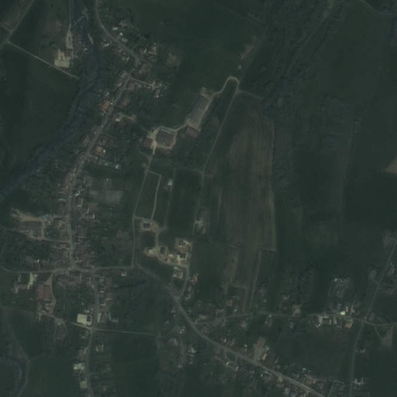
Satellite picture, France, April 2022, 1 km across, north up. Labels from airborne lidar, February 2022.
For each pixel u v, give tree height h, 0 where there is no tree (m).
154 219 0
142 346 0
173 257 0
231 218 0
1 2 0
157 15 0
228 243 0
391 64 0
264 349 0
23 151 0
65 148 7
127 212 0
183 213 0
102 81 19
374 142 0
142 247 0
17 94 0
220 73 0
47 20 0
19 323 0
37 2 0
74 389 0
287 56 0
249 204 0
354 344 0
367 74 0
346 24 0
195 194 0
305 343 0
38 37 0
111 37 0
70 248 0
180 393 18
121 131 5
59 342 0
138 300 7
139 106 8
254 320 0
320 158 0
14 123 0
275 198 0
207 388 0
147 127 0
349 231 0
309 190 0
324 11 19
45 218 0
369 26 0
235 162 0
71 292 8
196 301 0
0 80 0
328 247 0
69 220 0
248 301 0
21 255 17
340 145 0
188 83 0
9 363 16
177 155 0
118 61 0
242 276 0
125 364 0
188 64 0
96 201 0
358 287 0
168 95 0
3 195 11
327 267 0
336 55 0
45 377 0
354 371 0
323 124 7
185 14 0
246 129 0
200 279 0
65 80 0
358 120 7
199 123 0
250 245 0
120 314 0
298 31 0
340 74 0
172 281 0
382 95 0
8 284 0
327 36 9
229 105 0
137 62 0
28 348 0
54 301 0
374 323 0
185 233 0
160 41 0
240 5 0
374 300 0
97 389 0
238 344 0
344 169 0
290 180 29
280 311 17
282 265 0
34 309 0
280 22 7
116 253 25
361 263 0
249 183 0
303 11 14
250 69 0
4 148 0
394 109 0
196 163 20
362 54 0
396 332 0
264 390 0
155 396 0
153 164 0
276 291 0
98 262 0
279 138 26
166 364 0
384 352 0
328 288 0
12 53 0
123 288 11
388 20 0
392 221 0
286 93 21
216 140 0
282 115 23
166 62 0
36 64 0
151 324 0
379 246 0
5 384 0
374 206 0
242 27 0
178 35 0
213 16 0
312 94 0
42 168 8
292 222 0
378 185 0
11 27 0
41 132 0
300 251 0
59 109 0
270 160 0
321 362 0
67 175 0
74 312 0
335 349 0
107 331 0
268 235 0
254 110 0
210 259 0
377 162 0
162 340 0
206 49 0
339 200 0
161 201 0
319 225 0
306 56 0
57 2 0
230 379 0
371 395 0
